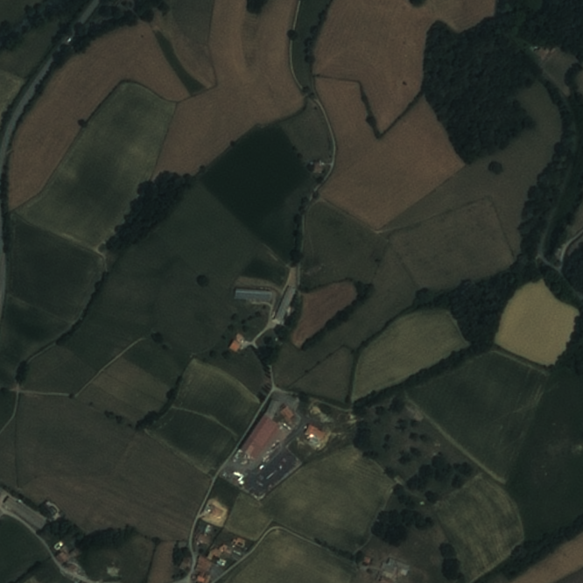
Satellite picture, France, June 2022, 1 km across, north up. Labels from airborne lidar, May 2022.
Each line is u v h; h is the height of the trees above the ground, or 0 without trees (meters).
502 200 0
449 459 0
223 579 0
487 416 0
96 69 0
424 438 11
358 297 9
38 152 0
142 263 0
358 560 10
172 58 0
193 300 0
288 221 0
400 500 9
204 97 0
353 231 0
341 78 0
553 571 0
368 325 0
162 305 0
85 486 0
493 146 18
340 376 0
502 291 26
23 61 0
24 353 0
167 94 0
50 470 0
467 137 16
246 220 0
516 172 0
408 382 8
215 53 0
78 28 20
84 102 0
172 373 0
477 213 0
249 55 0
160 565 0
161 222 14
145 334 0
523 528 0
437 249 0
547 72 0
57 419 0
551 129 0
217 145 0
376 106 0
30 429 0
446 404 0
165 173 12
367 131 0
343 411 0
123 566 0
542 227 20
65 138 0
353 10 0
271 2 0
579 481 0
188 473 0
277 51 0
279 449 0
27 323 0
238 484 0
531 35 19
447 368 20
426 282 0
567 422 0
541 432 0
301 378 0
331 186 0
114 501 0
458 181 0
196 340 0
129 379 0
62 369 0
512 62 26
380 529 18
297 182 0
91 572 0
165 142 0
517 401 0
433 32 16
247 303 0
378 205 0
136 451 0
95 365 0
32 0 0
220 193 0
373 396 11
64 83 0
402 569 0
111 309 0
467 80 16
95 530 0
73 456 0
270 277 0
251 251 0
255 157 0
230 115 0
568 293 26
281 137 0
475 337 16
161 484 0
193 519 0
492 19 17
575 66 14
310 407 0
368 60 0
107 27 18
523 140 0
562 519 0
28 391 0
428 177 0
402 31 0
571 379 0
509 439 0
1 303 0
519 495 0
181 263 0
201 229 0
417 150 0
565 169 23
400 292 0
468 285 25
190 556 6
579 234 0
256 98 0
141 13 18
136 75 0
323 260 0
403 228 0
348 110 0
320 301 0
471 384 0
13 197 0
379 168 0
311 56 10
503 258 0
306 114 0
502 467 0
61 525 23
